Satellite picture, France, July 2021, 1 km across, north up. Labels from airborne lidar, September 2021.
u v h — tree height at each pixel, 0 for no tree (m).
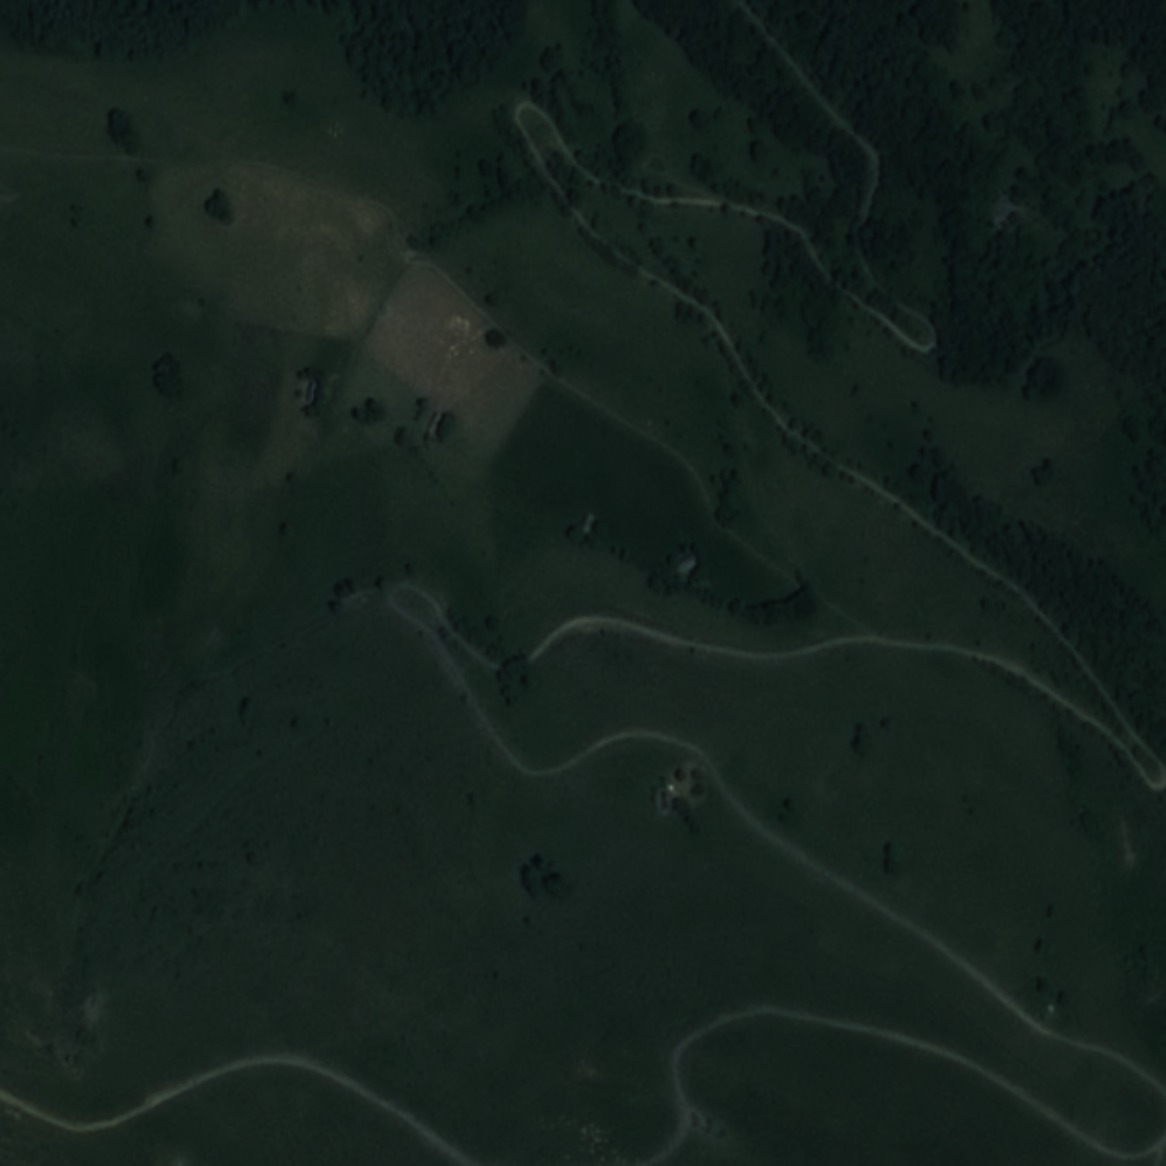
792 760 0
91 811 0
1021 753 0
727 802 0
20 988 0
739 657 0
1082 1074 0
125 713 0
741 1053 0
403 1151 0
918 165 19
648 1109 0
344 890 0
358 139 0
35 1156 0
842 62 24
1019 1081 0
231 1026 0
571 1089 0
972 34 0
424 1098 0
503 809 0
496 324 0
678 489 0
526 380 0
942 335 13
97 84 0
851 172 13
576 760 0
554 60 18
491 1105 0
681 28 18
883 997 0
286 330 0
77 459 0
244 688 0
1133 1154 0
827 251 11
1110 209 22
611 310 0
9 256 0
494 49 23
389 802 0
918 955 0
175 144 0
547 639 0
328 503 0
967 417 0
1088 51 6
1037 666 7
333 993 0
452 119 0
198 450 0
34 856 0
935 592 0
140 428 0
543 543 0
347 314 0
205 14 21
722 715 0
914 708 0
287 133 0
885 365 0
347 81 0
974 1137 0
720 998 0
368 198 0
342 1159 0
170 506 0
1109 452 0
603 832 0
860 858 0
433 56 19
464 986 0
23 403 0
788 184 0
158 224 16
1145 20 24
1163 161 0
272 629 0
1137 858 0
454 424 13
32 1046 0
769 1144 0
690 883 0
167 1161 0
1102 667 12
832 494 0
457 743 0
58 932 0
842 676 0
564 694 0
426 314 0
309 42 0
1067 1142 0
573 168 8
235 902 0
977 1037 0
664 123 0
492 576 0
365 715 0
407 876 0
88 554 0
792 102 21
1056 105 7
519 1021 0
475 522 0
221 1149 0
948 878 0
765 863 0
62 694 0
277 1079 0
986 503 16
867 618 0
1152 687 7
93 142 0
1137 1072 0
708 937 0
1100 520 0
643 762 0
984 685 0
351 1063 0
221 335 0
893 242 21
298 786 0
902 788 0
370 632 0
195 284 0
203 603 0
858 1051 0
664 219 0
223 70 0
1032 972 0
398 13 23
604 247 12
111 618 0
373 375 0
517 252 0
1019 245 8
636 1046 0
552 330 0
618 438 0
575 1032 0
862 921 0
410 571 10
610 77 8
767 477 0
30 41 15
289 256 0
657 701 0
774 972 0
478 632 10
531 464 0
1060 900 0
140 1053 0
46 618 0
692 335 0
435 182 0
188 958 0
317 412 10
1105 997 0
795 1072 0
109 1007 0
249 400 0
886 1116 0
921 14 21
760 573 0
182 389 15
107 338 0
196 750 7
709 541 0
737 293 0
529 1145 0
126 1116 0
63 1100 0
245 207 0
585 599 0
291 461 0
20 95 0
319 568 0
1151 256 22
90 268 0
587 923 0
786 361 0
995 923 0
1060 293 18
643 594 0
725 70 18
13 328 0
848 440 0
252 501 0
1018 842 0
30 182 0
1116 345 17
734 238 0
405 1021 0
